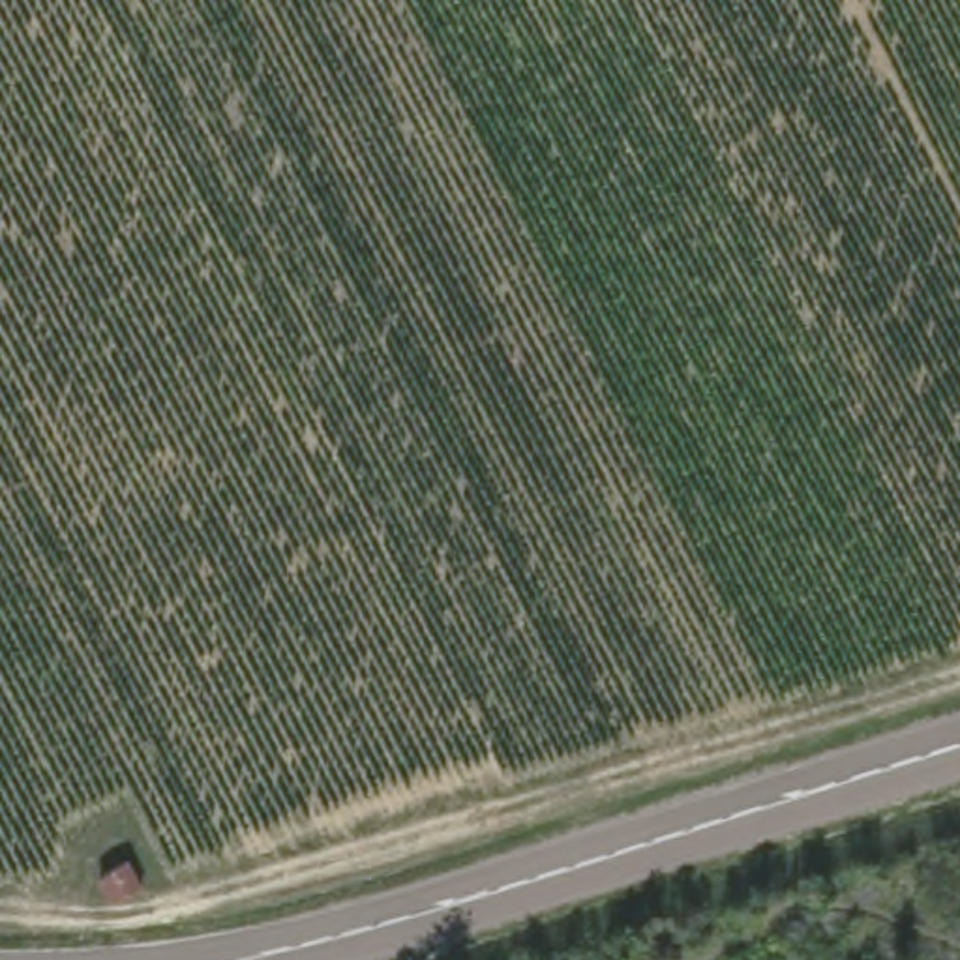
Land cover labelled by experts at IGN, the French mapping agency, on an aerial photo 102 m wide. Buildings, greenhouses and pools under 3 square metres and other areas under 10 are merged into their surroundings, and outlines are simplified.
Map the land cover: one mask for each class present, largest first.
<instances>
[{"label":"vineyard","instance_id":"1","mask_svg":"<svg viewBox=\"0 0 960 960\"><path fill-rule=\"evenodd\" d=\"M960 664V0H0V896L105 904V878L120 866L135 874L146 896L248 874L281 859V844L356 825L371 814H394L401 806L458 788L514 784L510 769L518 765L600 746L630 731L634 724H675L683 716L716 713L728 701L761 694H769V701L761 705V720L799 713L821 701H836L840 713H863V690L896 686L911 675Z\"/></svg>","mask_w":960,"mask_h":960},{"label":"herbaceous vegetation","instance_id":"2","mask_svg":"<svg viewBox=\"0 0 960 960\"><path fill-rule=\"evenodd\" d=\"M960 713V694L911 705L889 716H874L851 728H836L814 739H795L776 750L709 765L649 788H630L608 799L578 803L533 825H514L491 836L443 844L401 863L278 889L259 896L255 904H229L203 915L131 930L0 926V960H98L105 945L255 926L315 911L338 900L386 893L431 874H446L514 851L521 844H536L566 829L634 814L641 806L686 791L761 773L769 765L803 761L836 746H851L859 739L900 731L919 720ZM645 758L630 731L600 746L518 765L510 769L514 784L458 788L401 806L394 814H371L356 825L281 844V859L353 844L360 836L428 821L439 814H458L473 803L581 780L596 769ZM960 836V784L945 791L911 795L904 806L870 818L821 825L799 844H758L754 851L735 855L731 863H698L679 866L675 874H653L623 893L574 904L559 915L525 919L521 926L499 930L491 941L473 938L469 923L450 911L443 926H435V934L420 941L416 953H401L398 960H634V938L653 919H675L690 934H701L709 941L716 930V915L743 908L754 893L780 896L791 889H818L821 896H836V870L874 866L881 878L889 866L904 863L919 844Z\"/></svg>","mask_w":960,"mask_h":960},{"label":"impervious surface","instance_id":"3","mask_svg":"<svg viewBox=\"0 0 960 960\"><path fill-rule=\"evenodd\" d=\"M960 784V713L919 720L900 731L859 739L851 746H836L803 761L769 765L761 773L686 791L641 806L634 814L566 829L536 844H521L514 851L446 874H431L386 893L338 900L315 911L255 926L105 945L98 960H398L401 953H416L420 941L435 934V926H443L450 911L469 923L473 938L491 941L499 930L521 926L525 919L559 915L574 904L623 893L653 874H675L679 866L698 863H731L735 855L754 851L758 844H799L821 825L870 818L904 806L911 795L945 791Z\"/></svg>","mask_w":960,"mask_h":960},{"label":"pervious surface","instance_id":"4","mask_svg":"<svg viewBox=\"0 0 960 960\"><path fill-rule=\"evenodd\" d=\"M960 694V664L911 675L896 686L863 690V713H840L836 701H821L799 713L761 720V705L769 701V694H761L728 701L716 713L683 716L675 724H634L630 731L645 758L596 769L581 780L473 803L458 814H439L428 821L360 836L353 844L281 859L248 874L146 896L105 904L0 896V926L131 930L203 915L229 904H255L259 896L278 889L401 863L443 844L491 836L514 825H533L578 803L608 799L630 788H649L709 765L776 750L795 739H814L836 728H851L874 716H889L911 705Z\"/></svg>","mask_w":960,"mask_h":960},{"label":"coniferous trees","instance_id":"5","mask_svg":"<svg viewBox=\"0 0 960 960\"><path fill-rule=\"evenodd\" d=\"M915 893V874L904 863L889 866L881 878L874 866L836 870V896H821L818 889H791L780 896L754 893L743 908L716 915V930L709 941L701 934H690L675 919H653L634 938V960H926L915 908L908 904V896Z\"/></svg>","mask_w":960,"mask_h":960},{"label":"deciduous trees","instance_id":"6","mask_svg":"<svg viewBox=\"0 0 960 960\"><path fill-rule=\"evenodd\" d=\"M904 863L915 874V893L908 896V904L915 908L926 960H960V836L919 844Z\"/></svg>","mask_w":960,"mask_h":960},{"label":"building","instance_id":"7","mask_svg":"<svg viewBox=\"0 0 960 960\"><path fill-rule=\"evenodd\" d=\"M146 896L135 874L120 866L105 878V904Z\"/></svg>","mask_w":960,"mask_h":960}]
</instances>
